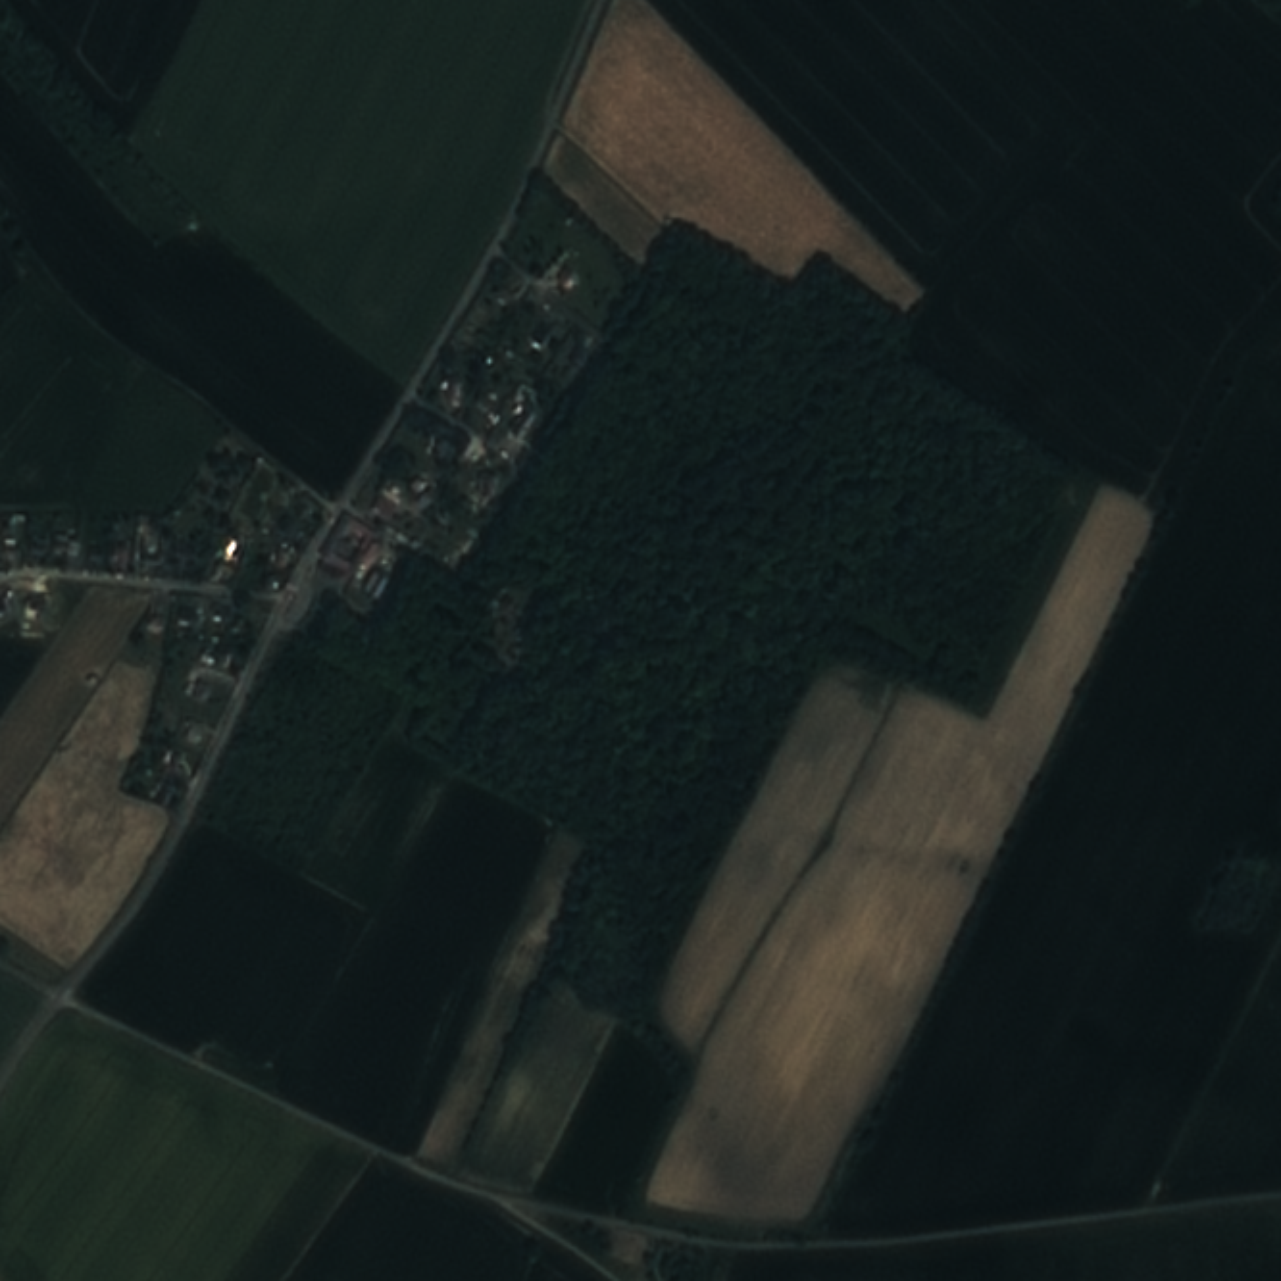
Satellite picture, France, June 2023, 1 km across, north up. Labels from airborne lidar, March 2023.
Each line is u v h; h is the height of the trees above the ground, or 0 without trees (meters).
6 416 0
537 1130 0
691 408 14
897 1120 0
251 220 0
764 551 19
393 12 0
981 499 18
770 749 13
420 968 0
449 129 0
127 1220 0
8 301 0
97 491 0
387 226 0
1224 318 0
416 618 21
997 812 0
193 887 0
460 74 0
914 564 16
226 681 0
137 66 0
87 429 0
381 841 0
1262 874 8
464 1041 0
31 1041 0
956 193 0
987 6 0
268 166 0
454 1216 0
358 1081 0
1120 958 0
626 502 11
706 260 18
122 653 0
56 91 10
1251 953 0
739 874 0
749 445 20
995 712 0
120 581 0
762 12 0
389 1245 0
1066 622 0
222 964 0
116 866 0
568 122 0
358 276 0
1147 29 0
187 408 0
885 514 21
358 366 0
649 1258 7
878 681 0
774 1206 0
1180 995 0
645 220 0
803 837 0
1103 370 0
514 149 0
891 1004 0
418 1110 0
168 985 0
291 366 0
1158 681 0
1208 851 0
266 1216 0
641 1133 0
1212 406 0
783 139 0
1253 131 0
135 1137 0
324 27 0
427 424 15
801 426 19
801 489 21
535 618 17
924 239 0
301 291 0
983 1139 0
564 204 9
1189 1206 0
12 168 0
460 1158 0
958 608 14
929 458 21
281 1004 0
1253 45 0
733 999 0
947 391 15
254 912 0
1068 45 0
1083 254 0
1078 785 0
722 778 16
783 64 0
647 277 9
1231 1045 0
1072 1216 0
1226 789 0
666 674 18
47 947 0
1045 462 14
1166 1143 0
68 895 0
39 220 0
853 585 16
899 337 12
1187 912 0
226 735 0
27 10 0
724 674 12
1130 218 0
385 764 0
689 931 0
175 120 0
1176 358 0
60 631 0
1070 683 0
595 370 16
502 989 0
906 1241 0
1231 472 0
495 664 6
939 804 0
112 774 0
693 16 0
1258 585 0
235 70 0
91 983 0
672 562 17
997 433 16
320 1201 0
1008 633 0
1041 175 0
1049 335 0
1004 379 0
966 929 8
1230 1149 0
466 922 0
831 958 0
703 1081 0
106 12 0
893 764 0
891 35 0
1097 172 0
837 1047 0
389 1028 0
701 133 0
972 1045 0
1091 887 0
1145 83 0
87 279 0
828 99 0
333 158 0
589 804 13
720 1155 0
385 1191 0
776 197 0
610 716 18
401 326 0
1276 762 0
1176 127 0
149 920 0
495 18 0
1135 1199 0
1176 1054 0
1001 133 0
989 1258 0
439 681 18
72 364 0
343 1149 0
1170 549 0
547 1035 0
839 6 0
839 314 14
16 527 0
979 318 0
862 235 0
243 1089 0
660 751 17
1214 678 0
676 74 0
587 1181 0
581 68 0
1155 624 0
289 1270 0
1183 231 0
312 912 0
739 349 15
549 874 0
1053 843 0
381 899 0
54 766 0
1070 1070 0
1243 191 0
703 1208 0
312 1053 0
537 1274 0
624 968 14
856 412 9
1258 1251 0
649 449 18
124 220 0
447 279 0
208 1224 0
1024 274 0
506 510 15
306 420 0
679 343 21
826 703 0
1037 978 0
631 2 0
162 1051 0
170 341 0
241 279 0
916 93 0
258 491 0
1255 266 0
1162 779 0
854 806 0
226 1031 0
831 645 8
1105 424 0
